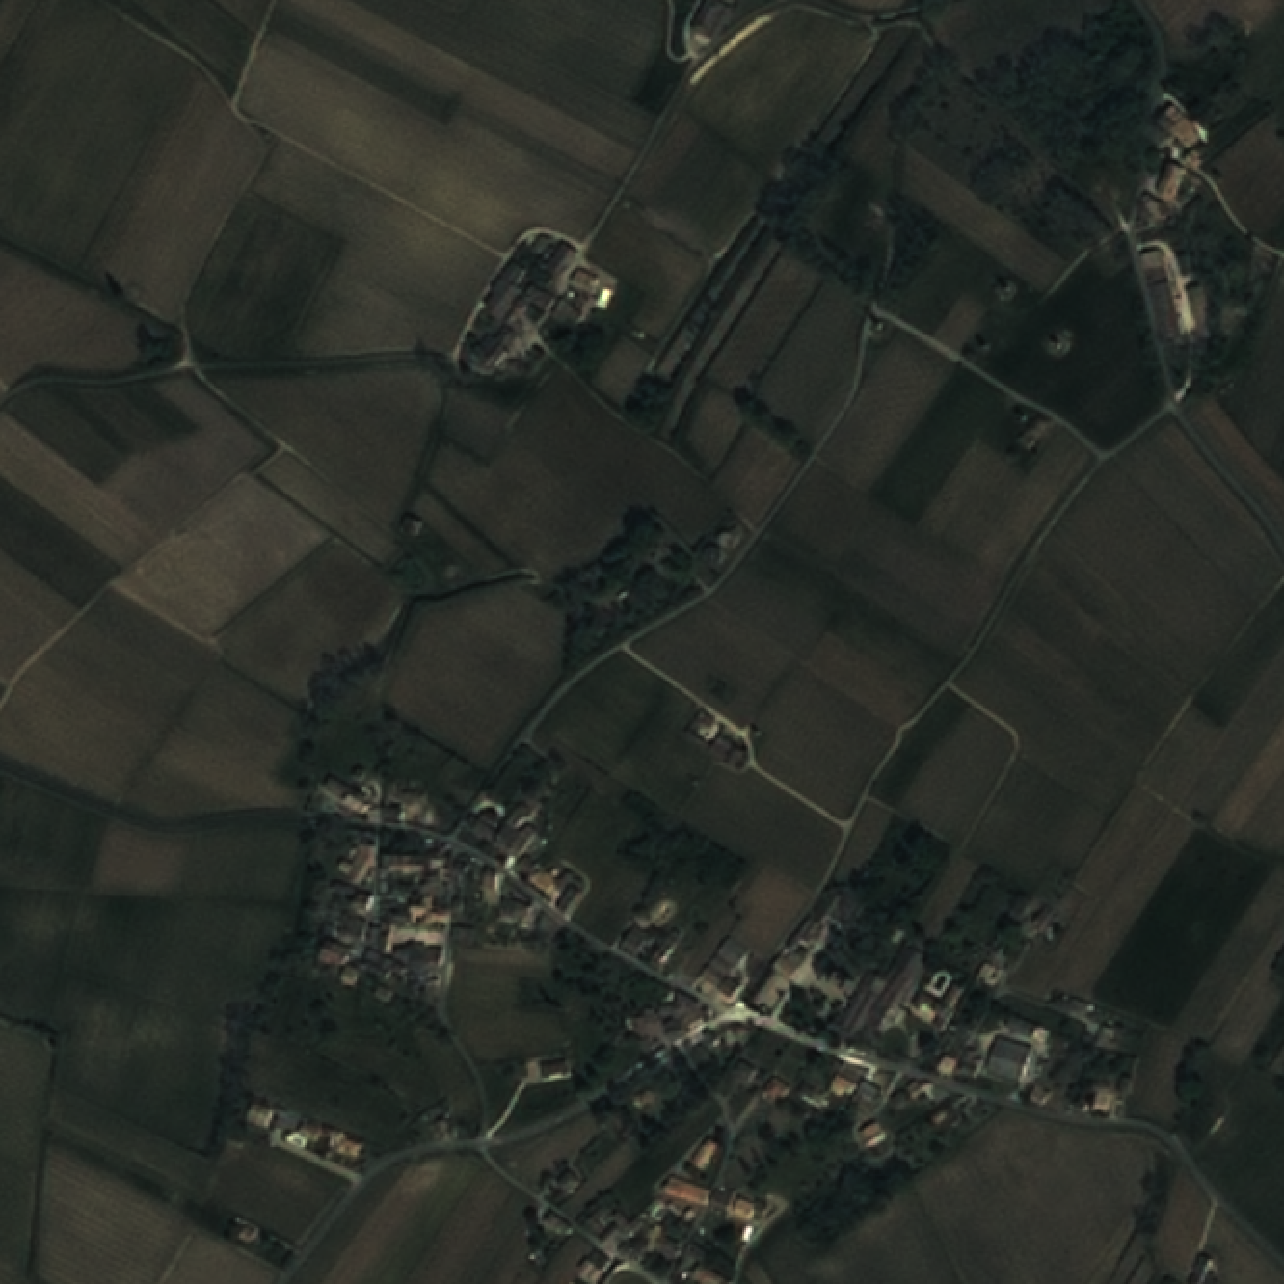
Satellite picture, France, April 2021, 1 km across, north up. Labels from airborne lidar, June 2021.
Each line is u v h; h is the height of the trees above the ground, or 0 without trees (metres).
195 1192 0
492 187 0
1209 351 13
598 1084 11
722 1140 10
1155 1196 10
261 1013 9
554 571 0
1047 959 0
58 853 0
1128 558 0
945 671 0
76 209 0
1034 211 10
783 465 0
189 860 0
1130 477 0
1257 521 0
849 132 6
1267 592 0
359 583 0
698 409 0
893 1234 0
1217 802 0
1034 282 0
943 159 0
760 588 0
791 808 0
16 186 0
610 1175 0
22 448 0
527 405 0
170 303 0
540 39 0
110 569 0
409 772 0
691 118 0
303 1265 0
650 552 12
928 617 0
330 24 0
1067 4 0
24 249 0
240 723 0
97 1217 0
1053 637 0
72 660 0
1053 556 0
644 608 14
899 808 0
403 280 0
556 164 0
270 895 0
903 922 7
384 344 0
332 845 9
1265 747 0
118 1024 0
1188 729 0
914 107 15
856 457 0
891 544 0
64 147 0
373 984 9
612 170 0
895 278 13
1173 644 0
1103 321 0
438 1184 0
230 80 0
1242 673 0
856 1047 15
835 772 0
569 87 0
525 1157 0
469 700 0
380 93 0
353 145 0
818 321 0
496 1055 0
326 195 0
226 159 0
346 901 8
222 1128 16
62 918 0
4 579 0
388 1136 0
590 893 0
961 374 0
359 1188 0
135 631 0
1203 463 0
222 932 0
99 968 0
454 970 0
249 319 0
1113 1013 0
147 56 0
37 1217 0
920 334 0
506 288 0
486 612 0
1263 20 0
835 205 0
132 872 0
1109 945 0
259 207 0
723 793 0
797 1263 0
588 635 18
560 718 0
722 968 0
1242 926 0
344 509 0
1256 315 14
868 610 0
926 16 17
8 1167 0
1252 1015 0
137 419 0
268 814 0
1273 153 0
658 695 0
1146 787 0
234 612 0
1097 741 0
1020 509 0
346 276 0
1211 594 0
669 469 0
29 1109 0
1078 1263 0
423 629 0
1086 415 0
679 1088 13
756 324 0
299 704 0
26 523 0
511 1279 0
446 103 0
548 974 0
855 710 0
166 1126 0
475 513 0
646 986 9
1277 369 0
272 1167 0
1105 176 0
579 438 0
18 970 0
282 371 0
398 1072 0
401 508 0
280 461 0
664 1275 11
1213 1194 0
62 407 0
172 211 0
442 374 17
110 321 0
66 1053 0
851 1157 16
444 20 0
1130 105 22
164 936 0
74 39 0
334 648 0
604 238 0
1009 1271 0
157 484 0
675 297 0
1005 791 0
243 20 0
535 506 0
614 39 0
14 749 0
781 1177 0
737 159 0
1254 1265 0
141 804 0
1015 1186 0
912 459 0
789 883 0
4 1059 0
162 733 0
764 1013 9
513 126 0
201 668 0
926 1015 0
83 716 0
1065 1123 0
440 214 0
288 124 0
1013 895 5
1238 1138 0
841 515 0
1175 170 0
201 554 0
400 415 0
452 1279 0
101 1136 0
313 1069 0
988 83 15
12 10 0
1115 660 0
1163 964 0
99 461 0
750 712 0
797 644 0
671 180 0
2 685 0
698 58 0
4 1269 0
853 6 0
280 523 0
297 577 0
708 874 8
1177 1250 0
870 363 0
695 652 0
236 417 0
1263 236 0
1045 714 0
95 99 0
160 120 0
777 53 0
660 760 0
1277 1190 0
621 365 0
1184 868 0
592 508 0
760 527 0
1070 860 0
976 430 0
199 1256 0
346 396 0
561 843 0
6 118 0
